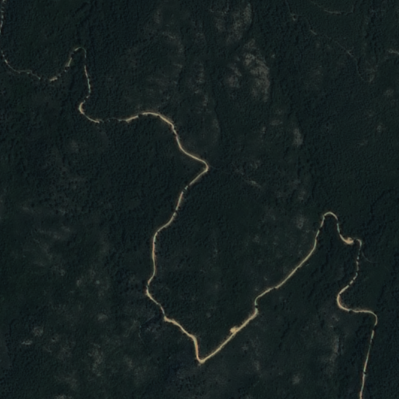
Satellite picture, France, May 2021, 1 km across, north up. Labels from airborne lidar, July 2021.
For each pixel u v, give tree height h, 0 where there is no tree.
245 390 9
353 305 14
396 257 19
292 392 8
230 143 11
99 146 6
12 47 12
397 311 7
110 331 8
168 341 5
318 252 8
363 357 18
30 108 9
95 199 17
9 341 12
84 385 8
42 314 8
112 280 12
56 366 9
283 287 6
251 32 17
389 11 14
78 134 10
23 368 13
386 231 12
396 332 11
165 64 10
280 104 10
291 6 13
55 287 7
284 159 12
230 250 12
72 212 14
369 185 11
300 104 24
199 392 8
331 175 9
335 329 15
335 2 11
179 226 11
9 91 13
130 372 6
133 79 9
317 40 8
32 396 6
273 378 6
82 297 7
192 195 11
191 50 13
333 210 15
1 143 21
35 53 9
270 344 7
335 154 13
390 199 23
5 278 10
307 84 11
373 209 19
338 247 24
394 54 8
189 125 11
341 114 10
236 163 8
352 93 10
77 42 9
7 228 6
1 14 16
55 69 14
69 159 20
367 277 9
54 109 9
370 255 9
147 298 10
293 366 7
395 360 11
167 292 9
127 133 17
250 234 7
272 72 6
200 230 10
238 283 17
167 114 12
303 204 6
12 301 7
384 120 6
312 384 8
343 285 17
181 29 13
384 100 10
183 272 9
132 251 14
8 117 13
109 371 10
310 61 9
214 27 8
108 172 13
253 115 10
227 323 10
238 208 6
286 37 18
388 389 11
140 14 10
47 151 13
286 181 10
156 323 12
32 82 10
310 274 6
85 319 8
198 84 8
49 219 6
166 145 12
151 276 0
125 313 9
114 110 12
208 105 10
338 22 10
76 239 21
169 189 18
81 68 23
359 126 9
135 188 18
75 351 10
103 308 6
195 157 0
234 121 10
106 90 11
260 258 8
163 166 11
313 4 13
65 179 13
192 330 11
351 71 9
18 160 9
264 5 14
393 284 17
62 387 7
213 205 8
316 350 7
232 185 11
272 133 8
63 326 12
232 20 8
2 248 8
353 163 11
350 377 21
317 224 18
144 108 7
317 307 19
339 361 8
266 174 12
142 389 12
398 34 11
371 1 17
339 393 14
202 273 12
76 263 8
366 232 19
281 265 8
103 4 17
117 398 12
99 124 12
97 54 17
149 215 11
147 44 12
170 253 10
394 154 10
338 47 9
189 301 12
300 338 6
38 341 12
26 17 11
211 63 11
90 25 12
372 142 10
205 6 12
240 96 9
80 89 24
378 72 8
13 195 5
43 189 11
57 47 6
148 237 15
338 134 12
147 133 12
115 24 14
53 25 6
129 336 8
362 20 12
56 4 10
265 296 8
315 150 17
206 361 6
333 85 8
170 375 6
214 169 8
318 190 26
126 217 21
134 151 18
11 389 12
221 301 10
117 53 11
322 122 13
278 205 17
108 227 7
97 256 7
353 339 6
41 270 8
